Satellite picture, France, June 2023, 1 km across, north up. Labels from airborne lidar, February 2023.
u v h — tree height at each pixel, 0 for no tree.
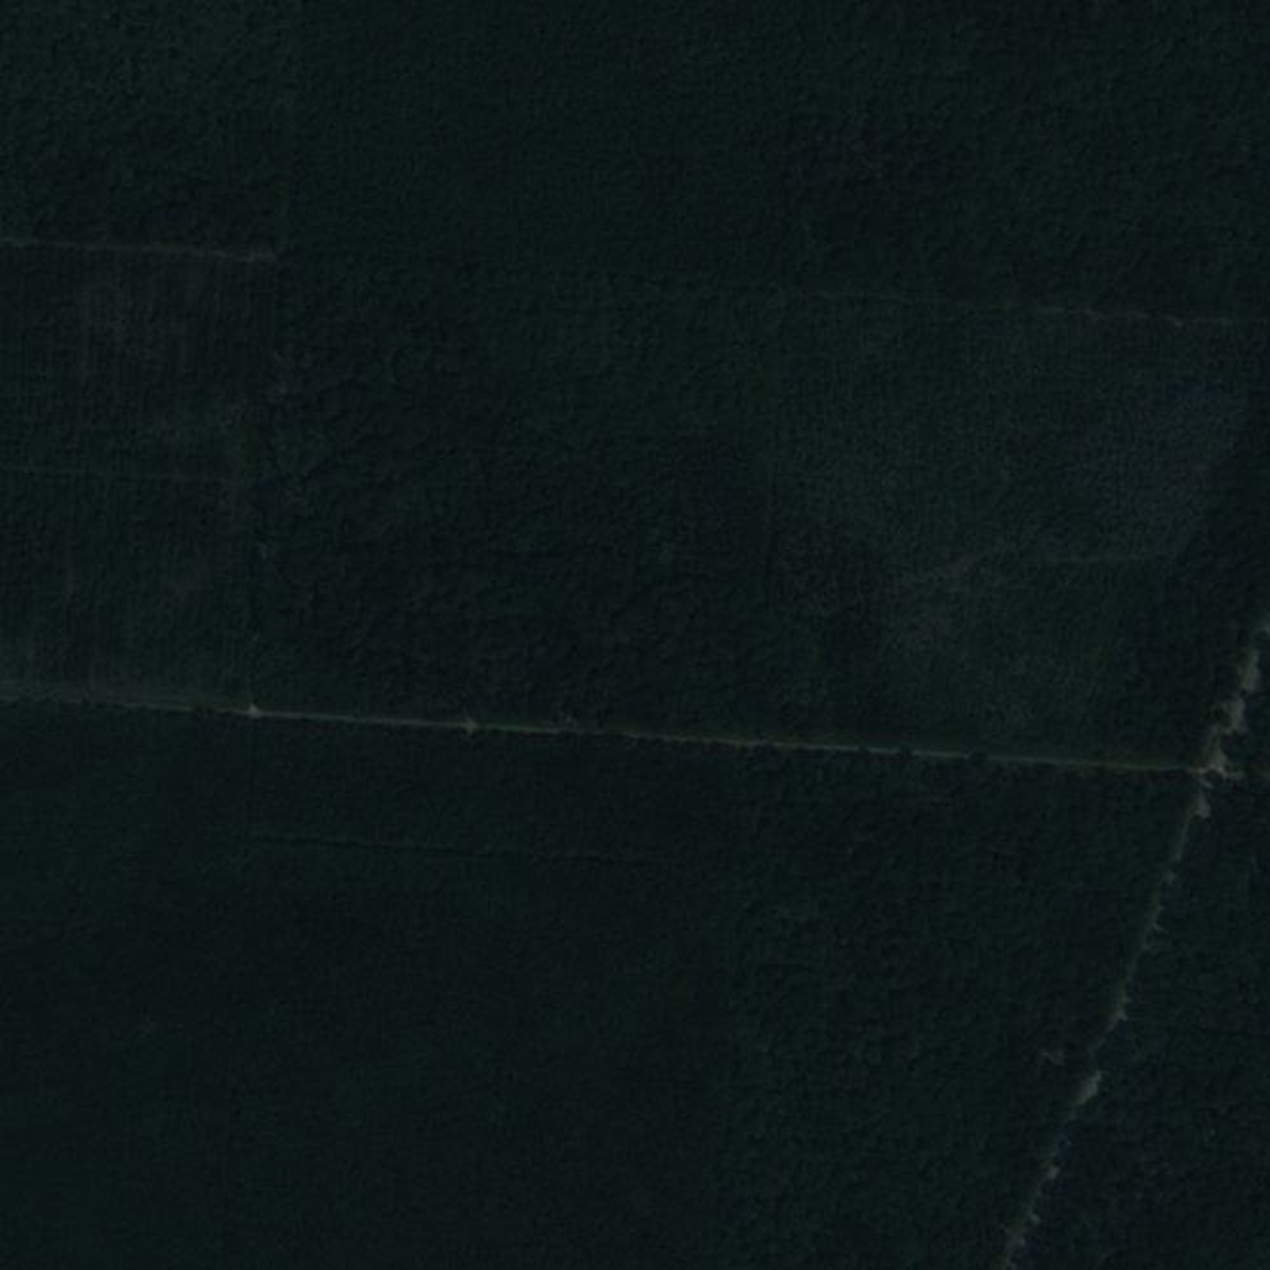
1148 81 22
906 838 26
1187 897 23
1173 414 22
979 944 22
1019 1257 0
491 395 28
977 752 0
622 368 23
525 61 13
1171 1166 28
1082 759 0
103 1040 14
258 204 22
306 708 13
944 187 23
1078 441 17
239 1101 9
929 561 7
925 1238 24
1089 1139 28
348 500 31
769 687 27
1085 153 21
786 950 24
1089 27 24
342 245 19
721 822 17
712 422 17
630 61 12
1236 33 19
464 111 12
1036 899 21
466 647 31
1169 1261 29
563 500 22
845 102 22
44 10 23
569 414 22
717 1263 18
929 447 8
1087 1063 25
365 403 30
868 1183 23
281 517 29
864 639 8
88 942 16
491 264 16
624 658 31
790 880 22
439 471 29
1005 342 7
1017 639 7
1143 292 21
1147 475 19
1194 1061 29
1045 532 19
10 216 26
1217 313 19
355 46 14
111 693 0
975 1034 27
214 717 10
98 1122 12
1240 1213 22
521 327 24
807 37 21
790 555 7
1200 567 24
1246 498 22
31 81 21
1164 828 23
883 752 0
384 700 20
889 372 7
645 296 23
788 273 18
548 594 29
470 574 30
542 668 30
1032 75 25
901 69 23
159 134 26
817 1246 23
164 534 6
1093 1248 30
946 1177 21
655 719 25
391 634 31
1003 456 6
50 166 26
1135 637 5
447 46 13
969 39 22
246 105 26
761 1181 27
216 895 18
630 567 24
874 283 21
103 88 20
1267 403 23
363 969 13
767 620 22
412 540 31
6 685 0
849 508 9
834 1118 23
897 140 29
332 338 24
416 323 29
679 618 28
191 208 28
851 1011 27
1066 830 19
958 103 24
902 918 25
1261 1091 30
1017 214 20
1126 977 18
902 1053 29
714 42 19
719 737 0
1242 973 25
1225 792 25
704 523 18
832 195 27
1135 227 22
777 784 26
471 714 20
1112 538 15
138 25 23
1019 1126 24
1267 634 0
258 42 20
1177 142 24
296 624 25
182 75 22
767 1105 23
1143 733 18
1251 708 22
